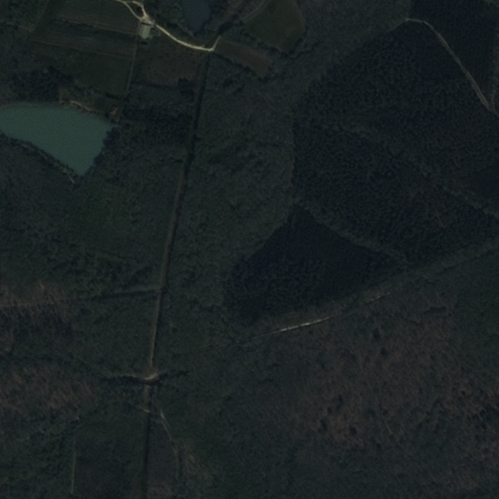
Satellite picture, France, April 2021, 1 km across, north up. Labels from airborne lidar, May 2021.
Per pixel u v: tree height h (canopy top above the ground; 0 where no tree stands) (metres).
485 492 11
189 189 17
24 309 16
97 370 15
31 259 21
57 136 0
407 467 17
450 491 11
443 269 14
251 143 22
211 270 20
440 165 21
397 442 14
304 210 9
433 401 15
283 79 16
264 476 18
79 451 21
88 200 17
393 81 23
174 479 13
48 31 0
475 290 17
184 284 17
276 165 22
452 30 11
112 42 0
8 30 8
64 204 20
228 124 21
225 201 21
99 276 21
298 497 18
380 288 14
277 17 0
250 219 22
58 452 16
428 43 8
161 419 18
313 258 11
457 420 14
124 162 18
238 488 20
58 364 16
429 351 12
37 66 11
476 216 23
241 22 13
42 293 22
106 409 17
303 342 8
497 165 9
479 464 13
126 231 20
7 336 18
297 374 14
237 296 18
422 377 11
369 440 16
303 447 19
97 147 0
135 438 15
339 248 12
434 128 20
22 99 19
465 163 19
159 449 12
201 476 26
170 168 18
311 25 15
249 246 16
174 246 16
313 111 22
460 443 15
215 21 18
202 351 16
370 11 23
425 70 10
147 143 18
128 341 20
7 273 23
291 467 18
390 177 8
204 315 26
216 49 0
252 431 21
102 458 21
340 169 23
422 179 23
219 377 16
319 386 6
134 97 12
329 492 18
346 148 21
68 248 18
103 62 0
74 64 0
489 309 19
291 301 23
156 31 10
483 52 9
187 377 19
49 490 16
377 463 15
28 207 17
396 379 14
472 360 14
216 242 22
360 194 24
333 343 8
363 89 20
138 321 21
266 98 16
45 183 18
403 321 13
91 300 23
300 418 9
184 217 25
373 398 12
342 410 16
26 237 21
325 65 19
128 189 17
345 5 17
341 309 13
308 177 22
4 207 17
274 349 20
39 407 10
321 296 11
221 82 15
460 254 15
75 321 16
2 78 15
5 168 18
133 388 19
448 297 18
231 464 20
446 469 15
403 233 9
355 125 7
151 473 12
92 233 19
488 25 12
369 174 22
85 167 0
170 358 17
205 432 18
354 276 13
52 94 20
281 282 21
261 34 0
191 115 14
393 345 9
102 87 0
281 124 16
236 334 17
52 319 25
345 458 14
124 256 17
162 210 22
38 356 14
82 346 19
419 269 16
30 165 18
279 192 17
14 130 0
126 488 8
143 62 0
